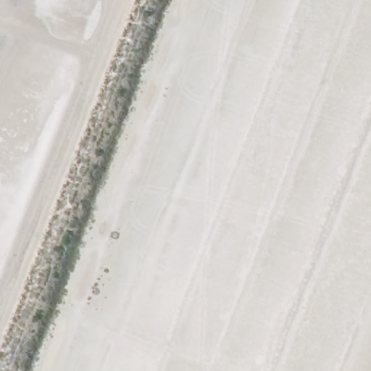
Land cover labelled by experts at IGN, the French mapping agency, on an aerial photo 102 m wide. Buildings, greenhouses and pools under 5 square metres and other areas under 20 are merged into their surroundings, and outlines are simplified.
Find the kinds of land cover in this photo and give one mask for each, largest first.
<instances>
[{"label":"pervious surface","instance_id":"1","mask_svg":"<svg viewBox=\"0 0 371 371\"><path fill-rule=\"evenodd\" d=\"M135 9V0H0V346L16 314L32 265L35 264L39 249L42 248L43 236L48 230L49 220L54 216L62 185L67 183L72 164L77 161L78 146L86 135L91 112L99 101L106 71L112 65L123 30L128 26L130 12ZM67 293L57 306V316L52 319L46 330L32 371H371V0H171L165 10L157 38L152 43L148 61L143 64L138 90L130 104L126 119L122 133L117 139L116 151L107 170L106 180L97 193L93 216L88 219L84 230L80 257L75 262L74 270L65 285Z\"/></svg>","mask_w":371,"mask_h":371},{"label":"herbaceous vegetation","instance_id":"2","mask_svg":"<svg viewBox=\"0 0 371 371\"><path fill-rule=\"evenodd\" d=\"M157 0H135V9L130 12L128 26L123 30L112 65L106 71L99 101L91 112L86 135L78 146L77 161L72 164L67 183L62 185L54 216L49 220L48 230L43 236L42 248L39 249L35 264L32 265L16 314L0 346V371H32L46 330L52 319L57 316V306L67 293L65 285L74 270L75 262L80 257L84 230L88 219L93 216L97 193L106 180L107 170L116 151L117 139L122 133L126 119L120 116L119 110L114 107V96L119 94V88L128 86L129 74L132 72L129 59L135 58L133 49H138L141 42L145 41L146 26H151L155 22V17H145L142 14Z\"/></svg>","mask_w":371,"mask_h":371},{"label":"brushwood","instance_id":"3","mask_svg":"<svg viewBox=\"0 0 371 371\"><path fill-rule=\"evenodd\" d=\"M171 0H157L142 14L145 17H155V22L151 26H146L145 41L141 42L138 49H133L135 58L129 59L132 72L129 74L128 86L119 88V94L114 96V107L119 110L120 116L126 119L130 104L138 90L143 64L148 61L152 43L157 38L165 10Z\"/></svg>","mask_w":371,"mask_h":371}]
</instances>
